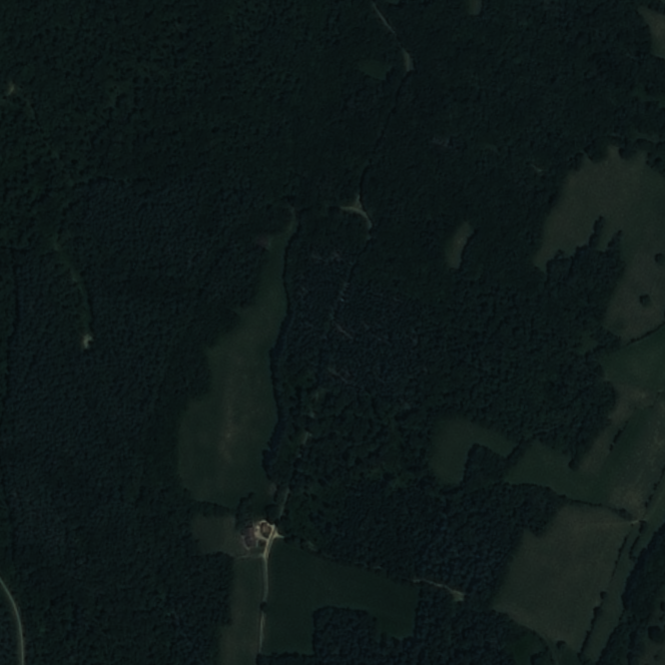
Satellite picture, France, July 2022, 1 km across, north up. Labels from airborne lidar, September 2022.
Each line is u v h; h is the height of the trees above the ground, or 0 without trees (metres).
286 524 16
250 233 20
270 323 0
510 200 18
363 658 34
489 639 27
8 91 15
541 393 13
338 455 7
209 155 17
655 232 0
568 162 15
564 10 22
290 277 17
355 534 15
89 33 18
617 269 25
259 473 0
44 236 19
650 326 0
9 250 21
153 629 25
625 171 0
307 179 22
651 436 0
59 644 19
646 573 30
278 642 0
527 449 12
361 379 23
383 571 12
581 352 14
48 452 21
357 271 18
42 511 28
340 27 18
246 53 15
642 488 0
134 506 19
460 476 0
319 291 22
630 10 20
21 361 29
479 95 7
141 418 27
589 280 22
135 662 21
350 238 20
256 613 0
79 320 18
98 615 12
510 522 19
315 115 23
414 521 11
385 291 21
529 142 18
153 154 21
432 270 18
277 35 24
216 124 18
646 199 0
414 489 8
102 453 25
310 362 30
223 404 0
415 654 35
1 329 21
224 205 22
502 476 20
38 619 15
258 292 17
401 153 19
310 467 17
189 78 16
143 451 18
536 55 19
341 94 16
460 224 13
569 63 19
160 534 21
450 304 16
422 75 20
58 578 22
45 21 14
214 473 0
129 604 19
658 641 16
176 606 23
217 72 20
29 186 19
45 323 21
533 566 0
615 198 0
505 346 21
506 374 16
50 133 19
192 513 14
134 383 26
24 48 18
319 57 19
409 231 15
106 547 16
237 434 0
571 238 0
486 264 14
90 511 23
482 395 11
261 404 0
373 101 23
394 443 23
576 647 0
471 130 18
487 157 18
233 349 0
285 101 20
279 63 17
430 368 22
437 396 19
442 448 0
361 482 9
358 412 27
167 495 18
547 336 17
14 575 17
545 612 0
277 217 17
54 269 11
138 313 21
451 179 13
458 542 24
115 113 20
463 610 18
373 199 18
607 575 0
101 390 28
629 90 10
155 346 25
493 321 24
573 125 15
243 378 0
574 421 7
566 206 0
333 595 0
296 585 0
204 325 17
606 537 0
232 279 28
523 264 16
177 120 20
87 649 20
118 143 19
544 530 10
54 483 22
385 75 0
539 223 11
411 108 22
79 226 17
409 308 23
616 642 13
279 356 29
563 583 0
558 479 0
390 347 24
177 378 17
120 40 19
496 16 24
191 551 22
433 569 30
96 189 23
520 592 0
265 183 19
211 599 18
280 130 18
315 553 11
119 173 20
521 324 20
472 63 18
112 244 22
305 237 20
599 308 10
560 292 23
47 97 18
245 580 0
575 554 0
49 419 28
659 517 0
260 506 0
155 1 23
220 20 21
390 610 0
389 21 18
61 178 16
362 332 23
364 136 18
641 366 0
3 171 6
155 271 27
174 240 25
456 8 24
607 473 0
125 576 15
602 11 20
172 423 22
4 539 18
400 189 18
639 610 22
